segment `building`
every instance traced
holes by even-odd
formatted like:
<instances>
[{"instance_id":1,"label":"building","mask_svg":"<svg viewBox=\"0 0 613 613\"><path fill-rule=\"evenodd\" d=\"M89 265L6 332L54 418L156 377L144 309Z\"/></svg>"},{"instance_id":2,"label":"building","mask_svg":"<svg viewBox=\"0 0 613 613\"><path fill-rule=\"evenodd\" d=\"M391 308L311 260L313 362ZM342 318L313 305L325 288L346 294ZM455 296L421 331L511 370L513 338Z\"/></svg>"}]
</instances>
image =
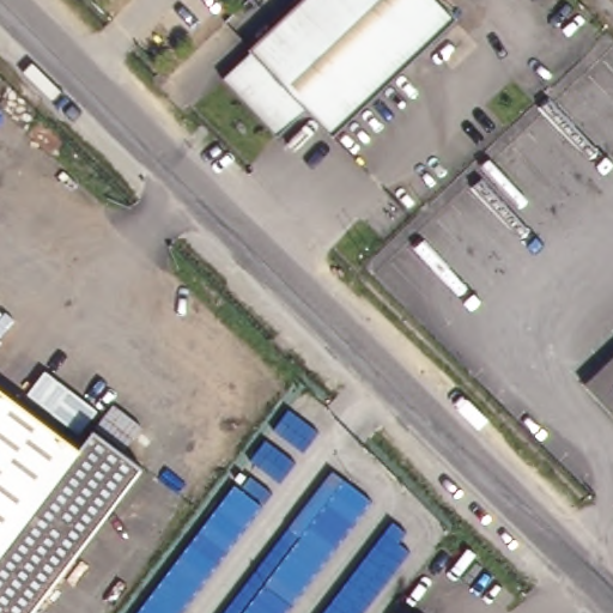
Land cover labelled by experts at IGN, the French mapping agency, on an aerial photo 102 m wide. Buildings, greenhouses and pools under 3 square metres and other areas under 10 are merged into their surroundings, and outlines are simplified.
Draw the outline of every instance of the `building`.
<instances>
[{"instance_id":1,"label":"building","mask_svg":"<svg viewBox=\"0 0 613 613\"><path fill-rule=\"evenodd\" d=\"M388 79L393 69L397 69L421 43L426 43L448 22L448 14L438 7L436 0L302 0L263 41L259 41L251 48L251 53L227 74L227 81L227 86L271 129L285 129L302 115L314 115L328 129L335 129L364 98L369 98L378 89L378 84Z\"/></svg>"},{"instance_id":2,"label":"building","mask_svg":"<svg viewBox=\"0 0 613 613\"><path fill-rule=\"evenodd\" d=\"M53 433L48 426L43 426L36 417L31 417L0 390L0 613L41 613L53 601L57 601L65 577L81 565L79 558L91 548L96 536L122 505L122 500L141 481L141 467L129 462L122 453L117 453L113 445L108 445L103 438L93 433L79 448L69 445L65 438Z\"/></svg>"},{"instance_id":3,"label":"building","mask_svg":"<svg viewBox=\"0 0 613 613\"><path fill-rule=\"evenodd\" d=\"M601 371L587 381L591 393L613 409L613 366L603 364Z\"/></svg>"}]
</instances>

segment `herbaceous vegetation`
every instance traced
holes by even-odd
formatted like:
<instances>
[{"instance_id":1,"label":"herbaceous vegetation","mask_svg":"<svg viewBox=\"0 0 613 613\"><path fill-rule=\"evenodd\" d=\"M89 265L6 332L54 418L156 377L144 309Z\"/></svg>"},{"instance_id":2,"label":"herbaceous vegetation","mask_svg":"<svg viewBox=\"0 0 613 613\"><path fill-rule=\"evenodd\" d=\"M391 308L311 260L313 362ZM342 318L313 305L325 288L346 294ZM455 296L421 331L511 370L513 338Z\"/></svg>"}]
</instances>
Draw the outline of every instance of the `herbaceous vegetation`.
<instances>
[{"instance_id":1,"label":"herbaceous vegetation","mask_svg":"<svg viewBox=\"0 0 613 613\"><path fill-rule=\"evenodd\" d=\"M488 113L503 125L510 125L529 103L529 96L520 84L508 84L488 103Z\"/></svg>"},{"instance_id":2,"label":"herbaceous vegetation","mask_svg":"<svg viewBox=\"0 0 613 613\"><path fill-rule=\"evenodd\" d=\"M227 86L227 81L208 91L194 108L175 110L175 120L184 125L189 132L199 127L216 127L237 151L232 158L244 172L251 172L254 160L271 144L271 129Z\"/></svg>"},{"instance_id":3,"label":"herbaceous vegetation","mask_svg":"<svg viewBox=\"0 0 613 613\"><path fill-rule=\"evenodd\" d=\"M170 273L180 278L180 283L184 283L187 290L192 290L194 299L199 299L216 318L220 318L244 345L249 345L287 388L297 386L297 381L302 378L302 369L292 366L285 359L290 350L278 345L275 330L230 292L227 280L192 249L187 239L175 239L170 251Z\"/></svg>"},{"instance_id":4,"label":"herbaceous vegetation","mask_svg":"<svg viewBox=\"0 0 613 613\"><path fill-rule=\"evenodd\" d=\"M467 400L469 405L474 405L488 419L488 424L508 441L508 445L544 479L548 479L551 486L558 493L563 493L575 508L594 505L594 486L575 477L570 469L565 469L565 465L548 450L548 445L544 441L536 441L534 433L527 429L529 412L512 417L512 412L477 376L467 371L465 357L460 352L448 352L448 347L443 347L433 335L429 335L412 318L412 314L369 273L369 256L378 251L378 232L366 223L357 223L328 254L328 263L338 273L338 278L357 297L366 299L374 309L378 309L426 359L431 359L445 376L450 376L450 400Z\"/></svg>"},{"instance_id":5,"label":"herbaceous vegetation","mask_svg":"<svg viewBox=\"0 0 613 613\"><path fill-rule=\"evenodd\" d=\"M103 31L110 22L108 0L65 0L93 31Z\"/></svg>"},{"instance_id":6,"label":"herbaceous vegetation","mask_svg":"<svg viewBox=\"0 0 613 613\"><path fill-rule=\"evenodd\" d=\"M462 520L455 529L448 532L448 536L443 536L436 544L436 551L448 551L455 560L462 558L465 551L474 553L474 560L467 568L469 575L474 575L472 589L488 596L493 587L503 587L512 596L508 611L517 611L524 603L524 594L532 591L534 582L524 572L520 572L493 544L488 544L472 524Z\"/></svg>"},{"instance_id":7,"label":"herbaceous vegetation","mask_svg":"<svg viewBox=\"0 0 613 613\"><path fill-rule=\"evenodd\" d=\"M57 163L62 165L62 172L69 175L79 187L84 187L103 206L113 211L132 206L136 196L127 180L110 165L110 160L89 141L84 141L69 125L55 120L43 108L43 103L38 103L29 113L29 125L45 127L60 139Z\"/></svg>"}]
</instances>

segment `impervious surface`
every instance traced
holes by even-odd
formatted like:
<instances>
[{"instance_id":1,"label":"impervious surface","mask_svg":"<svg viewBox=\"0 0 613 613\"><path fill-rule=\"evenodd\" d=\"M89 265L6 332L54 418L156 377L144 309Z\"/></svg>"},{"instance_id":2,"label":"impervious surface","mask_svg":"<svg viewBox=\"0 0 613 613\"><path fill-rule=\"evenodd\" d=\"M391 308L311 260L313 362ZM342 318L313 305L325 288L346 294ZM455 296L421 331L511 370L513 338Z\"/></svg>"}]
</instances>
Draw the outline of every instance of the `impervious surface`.
<instances>
[{"instance_id":1,"label":"impervious surface","mask_svg":"<svg viewBox=\"0 0 613 613\"><path fill-rule=\"evenodd\" d=\"M108 445L113 445L117 453L122 453L129 462L141 467L141 481L122 500L122 505L96 536L91 548L79 558L81 565L65 577L57 601L53 601L41 613L613 613L613 409L591 393L587 381L601 371L603 364L613 366L613 0L436 0L438 7L448 14L448 22L426 43L421 43L397 69L393 69L388 79L378 84L378 89L369 98L364 98L335 129L328 129L314 115L302 115L285 129L271 129L271 144L254 160L251 172L244 172L232 158L237 151L216 127L199 127L189 132L184 125L175 120L175 110L194 108L208 91L227 81L227 74L251 53L251 48L259 41L263 41L302 0L108 0L110 22L103 31L93 31L65 0L0 0L0 390L31 417L36 417L43 426L48 426L53 433L65 438L69 445L79 448L93 433L103 438ZM168 96L160 101L129 69L127 55L132 53L132 45L141 41L146 45L146 55L156 60L158 55L175 50L187 36L192 38L194 53L168 74L168 79L163 81ZM510 125L503 125L488 113L488 103L508 84L520 84L529 96L529 103ZM45 127L29 125L29 113L38 103L43 103L43 108L55 120L69 125L84 141L89 141L110 160L110 165L127 180L136 196L132 206L113 211L103 206L84 187L79 187L69 175L62 172L62 165L57 163L60 139ZM594 486L594 505L575 508L563 493L558 493L551 486L548 479L544 479L508 445L508 441L488 424L488 419L474 405L469 405L467 400L450 400L450 376L445 376L431 359L426 359L378 309L374 309L366 299L357 297L338 278L338 273L328 263L328 254L357 223L366 223L378 232L378 251L369 256L369 273L412 314L412 318L429 335L433 335L443 347L448 347L448 352L460 352L465 357L467 371L477 376L512 412L512 417L529 412L527 429L534 433L536 441L544 441L548 445L548 450L565 465L565 469L570 469L575 477ZM292 366L302 369L302 378L297 381L297 386L287 388L249 345L244 345L220 318L216 318L199 299L194 299L192 290L187 290L184 283L180 283L180 278L170 273L170 251L175 239L187 239L192 249L227 280L230 292L275 330L278 345L290 350L285 359ZM448 551L436 551L436 544L443 536L448 536L448 532L455 529L462 520L472 524L488 544L493 544L520 572L524 572L534 582L532 591L524 594L524 603L517 611L508 611L512 596L503 587L493 587L488 596L472 589L474 575L469 575L467 568L474 560L474 553L465 551L462 558L455 560Z\"/></svg>"}]
</instances>

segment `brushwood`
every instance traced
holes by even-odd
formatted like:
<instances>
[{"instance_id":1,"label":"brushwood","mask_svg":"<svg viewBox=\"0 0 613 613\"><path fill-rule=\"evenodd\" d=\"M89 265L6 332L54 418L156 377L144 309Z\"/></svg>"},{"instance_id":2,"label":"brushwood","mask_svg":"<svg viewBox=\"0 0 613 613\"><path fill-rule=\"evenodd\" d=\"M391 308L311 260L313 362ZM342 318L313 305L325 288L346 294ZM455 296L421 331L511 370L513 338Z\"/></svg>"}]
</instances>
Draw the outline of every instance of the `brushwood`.
<instances>
[{"instance_id":1,"label":"brushwood","mask_svg":"<svg viewBox=\"0 0 613 613\"><path fill-rule=\"evenodd\" d=\"M187 36L175 50L158 55L156 60L146 55L146 45L141 41L132 45L132 53L127 55L129 69L160 101L168 96L163 81L168 79L168 74L194 53L192 38Z\"/></svg>"}]
</instances>

